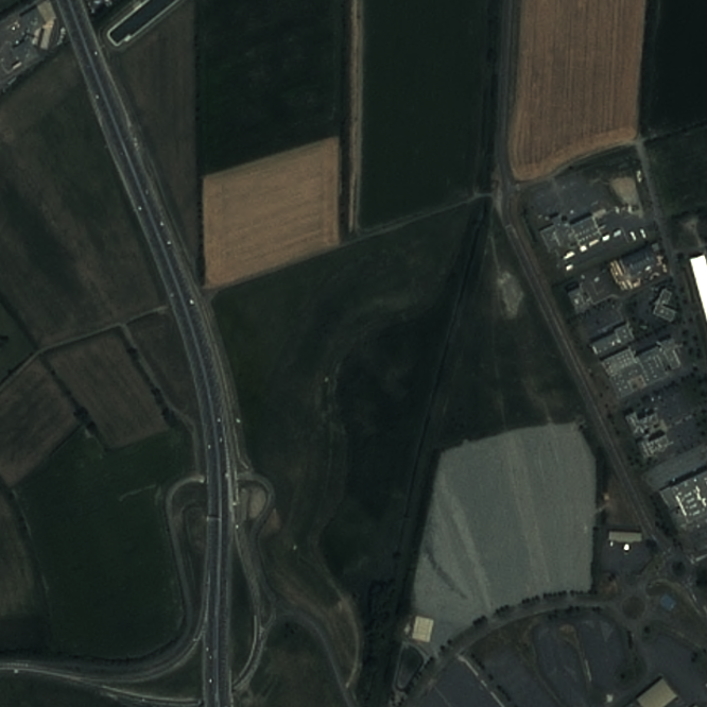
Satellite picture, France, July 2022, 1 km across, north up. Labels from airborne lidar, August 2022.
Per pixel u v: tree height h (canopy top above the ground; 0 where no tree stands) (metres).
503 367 0
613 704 0
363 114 0
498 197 0
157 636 0
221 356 0
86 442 0
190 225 0
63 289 0
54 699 0
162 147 0
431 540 0
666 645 0
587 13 0
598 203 0
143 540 0
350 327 0
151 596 0
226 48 0
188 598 0
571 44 0
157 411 0
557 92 0
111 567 0
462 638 0
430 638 0
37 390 0
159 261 0
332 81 0
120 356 0
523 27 0
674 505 0
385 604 16
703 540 0
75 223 0
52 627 0
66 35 0
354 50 0
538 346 0
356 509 0
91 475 0
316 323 0
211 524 0
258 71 0
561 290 0
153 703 0
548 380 0
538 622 0
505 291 0
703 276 0
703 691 0
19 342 0
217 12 0
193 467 0
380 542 0
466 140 0
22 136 0
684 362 0
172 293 0
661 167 0
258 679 0
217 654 0
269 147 0
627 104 0
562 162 0
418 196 0
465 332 0
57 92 0
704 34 0
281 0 0
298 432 0
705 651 7
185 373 0
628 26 0
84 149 0
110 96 0
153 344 0
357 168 0
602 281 0
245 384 0
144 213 0
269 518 0
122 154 0
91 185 0
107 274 0
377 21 0
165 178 0
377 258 0
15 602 0
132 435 0
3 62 0
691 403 0
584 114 0
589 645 0
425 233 0
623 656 0
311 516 0
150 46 0
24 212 0
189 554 0
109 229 0
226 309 0
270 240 0
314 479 0
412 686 8
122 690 0
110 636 0
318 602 0
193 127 0
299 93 0
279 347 0
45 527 0
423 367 0
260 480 0
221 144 0
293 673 0
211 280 0
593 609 6
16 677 0
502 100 0
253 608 0
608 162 0
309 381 0
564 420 0
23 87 0
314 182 0
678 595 0
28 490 0
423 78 0
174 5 0
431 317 0
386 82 0
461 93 0
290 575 0
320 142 0
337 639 0
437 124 0
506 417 0
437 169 0
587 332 0
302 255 0
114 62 0
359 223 0
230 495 0
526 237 0
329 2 0
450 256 0
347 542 0
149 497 0
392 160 0
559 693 0
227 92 0
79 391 0
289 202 0
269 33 0
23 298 0
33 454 0
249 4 0
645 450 0
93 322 0
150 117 0
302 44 0
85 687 0
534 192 0
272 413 0
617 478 0
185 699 0
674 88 0
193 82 0
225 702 0
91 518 0
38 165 0
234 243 0
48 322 0
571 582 0
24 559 0
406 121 0
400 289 0
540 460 0
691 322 7
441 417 0
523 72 0
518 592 0
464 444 0
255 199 0
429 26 0
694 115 0
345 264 0
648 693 0
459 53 0
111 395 0
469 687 0
